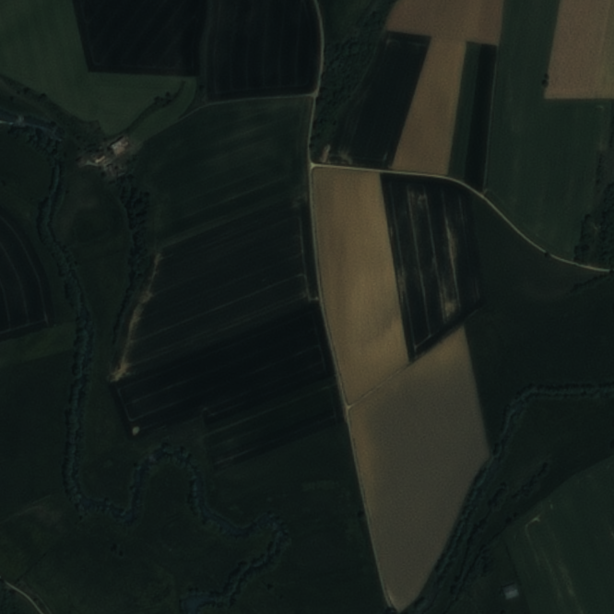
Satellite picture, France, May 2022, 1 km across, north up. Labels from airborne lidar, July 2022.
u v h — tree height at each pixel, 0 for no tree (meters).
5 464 0
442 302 0
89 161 0
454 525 0
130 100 0
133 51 0
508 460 0
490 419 0
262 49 0
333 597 0
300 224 0
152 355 0
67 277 17
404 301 0
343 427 0
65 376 0
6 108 0
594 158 0
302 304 0
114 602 0
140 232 14
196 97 0
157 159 0
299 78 0
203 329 0
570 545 0
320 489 0
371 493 0
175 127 0
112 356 0
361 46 10
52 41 0
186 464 12
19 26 0
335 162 0
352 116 0
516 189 0
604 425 0
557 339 0
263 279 0
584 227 13
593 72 0
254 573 14
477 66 0
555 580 0
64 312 0
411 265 0
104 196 0
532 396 7
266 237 0
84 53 0
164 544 0
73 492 15
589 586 0
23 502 0
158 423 0
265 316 0
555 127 0
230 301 0
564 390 14
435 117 0
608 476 0
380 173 0
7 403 0
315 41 0
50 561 0
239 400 0
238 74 0
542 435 0
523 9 0
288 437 0
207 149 0
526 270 0
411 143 0
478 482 12
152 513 0
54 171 11
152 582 0
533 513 0
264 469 0
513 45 0
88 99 0
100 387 0
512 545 0
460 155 0
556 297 0
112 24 0
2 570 0
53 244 18
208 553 0
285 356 0
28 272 0
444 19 0
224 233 0
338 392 0
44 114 0
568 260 0
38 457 0
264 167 0
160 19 0
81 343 16
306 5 0
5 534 0
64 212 0
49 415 0
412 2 0
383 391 0
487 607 0
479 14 0
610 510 0
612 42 0
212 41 0
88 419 0
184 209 0
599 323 0
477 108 0
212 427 0
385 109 0
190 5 0
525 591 0
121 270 0
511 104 0
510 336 0
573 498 0
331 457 0
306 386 0
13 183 0
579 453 0
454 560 9
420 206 0
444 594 0
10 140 0
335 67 9
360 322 0
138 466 10
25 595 0
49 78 0
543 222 0
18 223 0
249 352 0
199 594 9
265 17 0
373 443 0
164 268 0
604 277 8
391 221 0
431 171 0
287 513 0
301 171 0
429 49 0
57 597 0
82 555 0
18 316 0
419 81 0
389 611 12
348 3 0
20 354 0
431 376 0
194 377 0
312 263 0
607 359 0
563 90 0
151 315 0
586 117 0
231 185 0
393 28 0
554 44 0
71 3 0
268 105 0
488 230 0
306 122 0
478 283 0
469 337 0
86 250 0
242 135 0
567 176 0
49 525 0
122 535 0
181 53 0
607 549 0
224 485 0
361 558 0
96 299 0
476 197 0
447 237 0
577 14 0
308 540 0
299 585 0
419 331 0
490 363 0
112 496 0
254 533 19
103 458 0
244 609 0
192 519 0
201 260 0
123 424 0
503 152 0
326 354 0
